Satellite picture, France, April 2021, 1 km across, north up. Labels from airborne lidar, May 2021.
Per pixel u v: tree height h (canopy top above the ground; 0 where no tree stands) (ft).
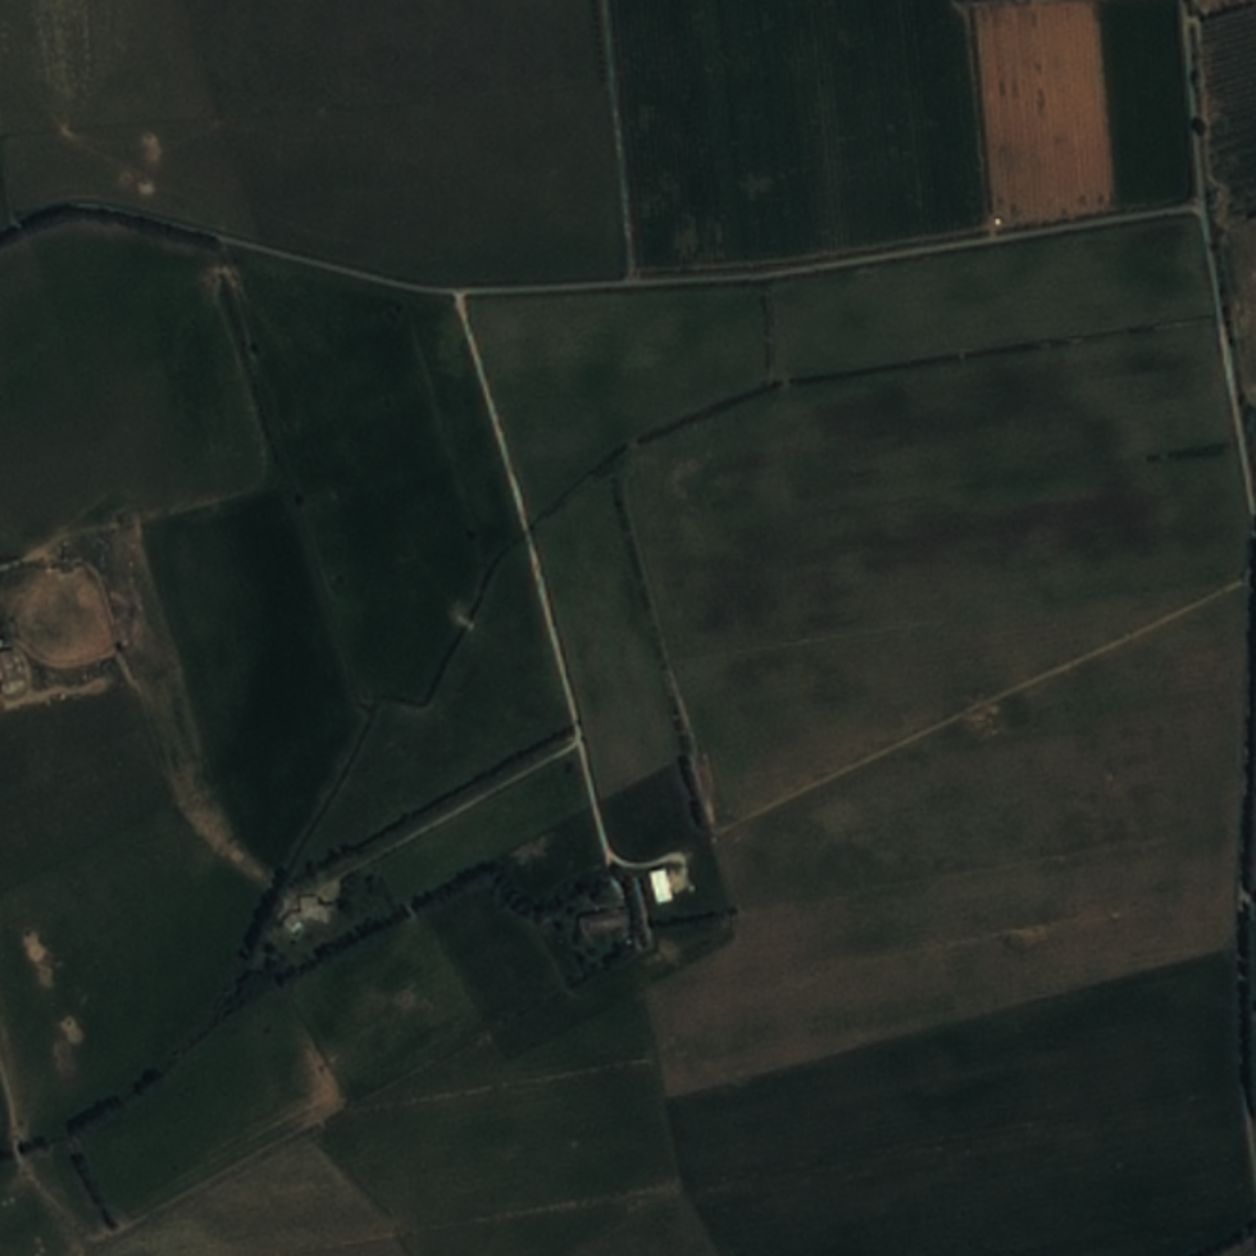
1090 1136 0
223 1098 0
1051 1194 0
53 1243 0
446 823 0
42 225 36
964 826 0
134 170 0
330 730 0
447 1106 0
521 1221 0
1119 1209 0
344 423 0
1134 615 0
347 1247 0
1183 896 0
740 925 0
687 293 0
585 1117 0
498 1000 0
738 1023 0
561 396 0
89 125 0
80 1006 0
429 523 0
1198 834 0
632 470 0
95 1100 0
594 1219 0
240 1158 0
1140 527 0
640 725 0
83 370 0
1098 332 0
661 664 0
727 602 0
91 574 0
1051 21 0
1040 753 0
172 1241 0
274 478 0
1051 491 0
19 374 0
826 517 0
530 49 0
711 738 0
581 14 0
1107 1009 0
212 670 0
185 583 0
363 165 0
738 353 0
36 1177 0
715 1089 0
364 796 0
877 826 0
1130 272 0
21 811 0
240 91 0
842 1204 0
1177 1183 0
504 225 0
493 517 0
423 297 0
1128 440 0
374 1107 0
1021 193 0
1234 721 0
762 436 0
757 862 0
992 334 0
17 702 0
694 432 0
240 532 0
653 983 0
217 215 0
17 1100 0
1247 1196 0
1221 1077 0
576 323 0
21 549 0
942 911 0
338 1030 0
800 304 0
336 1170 0
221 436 0
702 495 0
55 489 0
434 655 0
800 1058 0
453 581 0
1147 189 0
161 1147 0
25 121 0
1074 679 0
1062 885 0
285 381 0
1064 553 0
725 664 0
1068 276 0
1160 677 0
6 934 0
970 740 0
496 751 0
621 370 0
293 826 0
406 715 0
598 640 0
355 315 0
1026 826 0
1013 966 0
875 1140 0
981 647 0
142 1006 0
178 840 0
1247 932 41
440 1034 0
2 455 0
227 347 0
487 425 0
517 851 0
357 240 0
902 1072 0
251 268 0
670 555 0
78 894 0
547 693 0
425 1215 0
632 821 0
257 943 52
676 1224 0
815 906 0
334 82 0
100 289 0
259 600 0
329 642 0
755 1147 0
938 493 0
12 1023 0
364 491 0
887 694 0
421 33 0
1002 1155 0
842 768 0
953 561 0
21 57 0
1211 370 0
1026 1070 0
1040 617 0
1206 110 0
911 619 0
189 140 0
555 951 0
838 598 0
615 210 0
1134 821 0
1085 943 0
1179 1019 0
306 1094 0
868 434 0
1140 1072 0
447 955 0
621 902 48
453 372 0
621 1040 0
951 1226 0
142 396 0
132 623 0
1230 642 0
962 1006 0
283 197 0
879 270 0
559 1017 0
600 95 0
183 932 0
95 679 0
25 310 0
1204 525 0
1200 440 0
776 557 0
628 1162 0
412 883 0
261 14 0
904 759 0
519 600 0
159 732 0
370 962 0
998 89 0
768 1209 0
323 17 0
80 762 0
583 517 0
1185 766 0
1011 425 0
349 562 0
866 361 0
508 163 0
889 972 0
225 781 0
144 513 0
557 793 0
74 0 0
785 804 0
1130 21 0
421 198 0
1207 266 0
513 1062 0
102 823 0
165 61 0
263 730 0
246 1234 0
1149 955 0
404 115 0
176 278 0
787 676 0
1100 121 0
